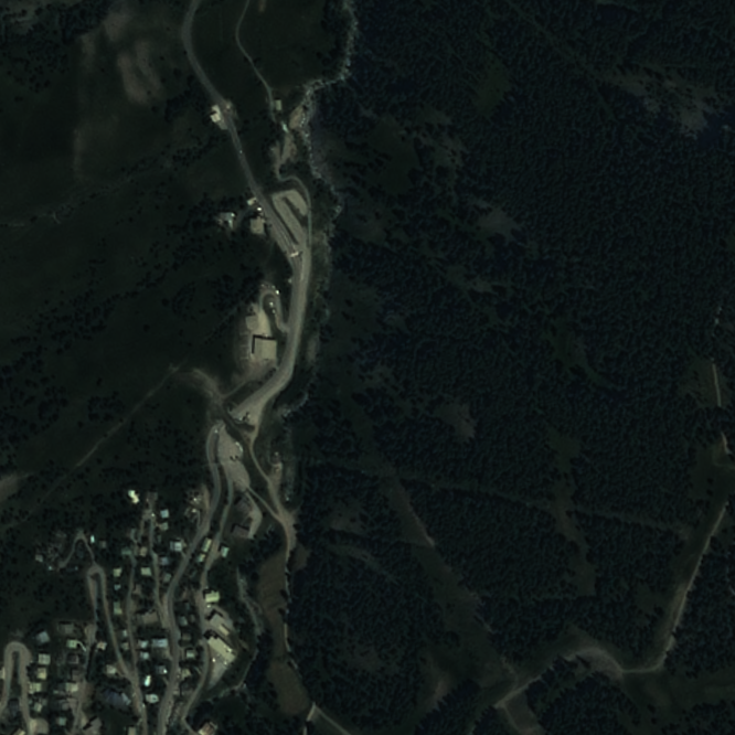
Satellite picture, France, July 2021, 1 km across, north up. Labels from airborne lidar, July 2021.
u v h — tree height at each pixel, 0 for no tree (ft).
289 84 0
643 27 84
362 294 0
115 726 0
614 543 57
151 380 0
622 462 70
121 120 0
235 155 0
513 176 88
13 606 0
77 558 32
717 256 70
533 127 85
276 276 0
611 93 95
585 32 83
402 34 89
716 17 83
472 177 81
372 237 0
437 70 80
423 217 72
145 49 0
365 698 71
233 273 0
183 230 30
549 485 52
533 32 43
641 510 67
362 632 27
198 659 31
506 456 76
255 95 0
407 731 0
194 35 0
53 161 0
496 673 0
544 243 54
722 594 63
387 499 43
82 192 0
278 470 0
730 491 0
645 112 73
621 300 53
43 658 0
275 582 0
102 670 39
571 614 75
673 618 0
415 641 57
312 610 79
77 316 33
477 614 0
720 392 0
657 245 61
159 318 0
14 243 0
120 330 0
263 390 0
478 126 73
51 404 33
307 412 37
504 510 51
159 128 0
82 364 0
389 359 21
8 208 0
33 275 0
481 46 96
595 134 70
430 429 69
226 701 0
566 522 0
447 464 89
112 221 0
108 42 0
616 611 68
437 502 84
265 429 0
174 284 0
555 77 76
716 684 0
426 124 0
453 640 70
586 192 74
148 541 35
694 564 0
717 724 36
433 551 0
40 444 0
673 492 49
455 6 100
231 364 0
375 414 70
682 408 53
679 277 73
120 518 35
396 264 92
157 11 0
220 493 0
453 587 0
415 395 47
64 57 33
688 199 62
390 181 0
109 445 0
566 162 88
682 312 67
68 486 20
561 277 64
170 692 0
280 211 0
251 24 0
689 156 67
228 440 0
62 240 0
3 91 0
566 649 0
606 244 74
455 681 0
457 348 62
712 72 80
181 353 0
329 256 0
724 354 53
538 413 68
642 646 57
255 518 0
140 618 0
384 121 0
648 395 54
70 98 0
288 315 0
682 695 0
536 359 65
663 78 54
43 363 42
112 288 0
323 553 85
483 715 0
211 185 0
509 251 90
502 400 76
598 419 62
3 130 0
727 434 59
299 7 0
